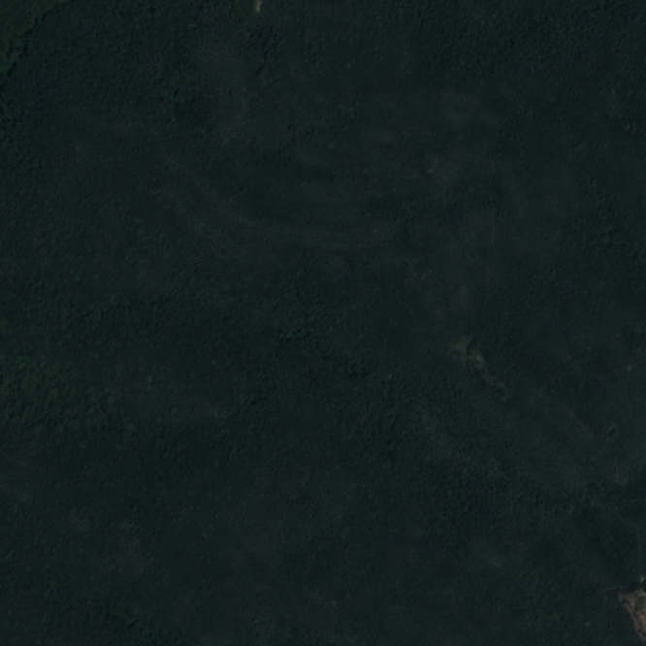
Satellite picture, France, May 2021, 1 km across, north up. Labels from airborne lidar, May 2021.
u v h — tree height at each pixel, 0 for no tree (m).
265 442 8
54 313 12
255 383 9
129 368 7
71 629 10
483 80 9
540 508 10
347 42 8
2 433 6
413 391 9
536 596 6
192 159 7
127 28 10
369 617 5
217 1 7
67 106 6
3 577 6
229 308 10
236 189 7
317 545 10
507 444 9
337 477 7
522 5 7
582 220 9
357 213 6
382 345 7
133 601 7
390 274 7
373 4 8
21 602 6
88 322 12
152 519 7
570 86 7
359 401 12
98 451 8
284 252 6
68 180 7
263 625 8
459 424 6
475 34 14
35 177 7
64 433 8
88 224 6
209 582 6
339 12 6
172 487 7
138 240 9
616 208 8
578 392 5
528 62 6
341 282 6
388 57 6
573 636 6
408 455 10
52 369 10
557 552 6
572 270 7
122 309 14
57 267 7
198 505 6
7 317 10
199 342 7
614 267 6
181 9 6
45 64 14
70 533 8
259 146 6
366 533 6
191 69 11
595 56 8
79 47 10
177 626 6
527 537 6
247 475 7
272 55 8
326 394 12
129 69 9
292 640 6
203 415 5
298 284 12
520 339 8
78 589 7
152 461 7
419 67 8
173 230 6
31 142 7
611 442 6
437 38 8
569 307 5
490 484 11
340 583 7
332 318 7
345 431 8
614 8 12
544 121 7
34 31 19
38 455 6
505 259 6
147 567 5
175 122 10
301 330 16
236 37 8
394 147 8
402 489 6
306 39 13
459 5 12
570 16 12
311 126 6
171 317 11
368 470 8
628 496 9
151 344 8
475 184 5
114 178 6
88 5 13
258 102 8
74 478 8
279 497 6
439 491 9
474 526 7
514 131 7
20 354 11
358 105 6
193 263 6
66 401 7
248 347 11
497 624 7
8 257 9
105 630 14
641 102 8
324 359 22
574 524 6
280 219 6
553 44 8
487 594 7
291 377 7
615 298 5
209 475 7
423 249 6
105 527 9
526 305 6
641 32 7
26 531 7
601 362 6
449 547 8
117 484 6
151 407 6
